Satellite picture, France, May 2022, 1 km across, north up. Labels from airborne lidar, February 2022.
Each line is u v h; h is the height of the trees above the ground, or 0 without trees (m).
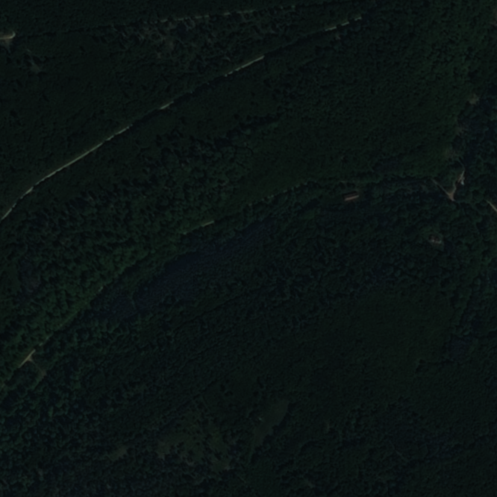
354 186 12
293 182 18
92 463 17
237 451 24
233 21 14
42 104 13
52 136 8
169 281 30
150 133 20
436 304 24
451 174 25
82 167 10
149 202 7
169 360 17
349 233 28
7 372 35
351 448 24
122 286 21
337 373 17
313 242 11
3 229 11
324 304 28
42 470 33
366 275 16
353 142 22
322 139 16
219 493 19
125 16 19
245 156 34
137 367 11
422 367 10
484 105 23
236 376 12
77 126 9
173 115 12
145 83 9
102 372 14
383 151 16
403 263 18
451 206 32
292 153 18
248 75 12
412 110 23
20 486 28
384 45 29
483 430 24
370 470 9
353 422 11
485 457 23
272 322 11
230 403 11
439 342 18
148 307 29
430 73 29
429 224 29
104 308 18
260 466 19
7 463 35
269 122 34
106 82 11
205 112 15
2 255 10
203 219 21
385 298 17
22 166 8
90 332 36
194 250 18
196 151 39
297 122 23
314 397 17
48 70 8
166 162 39
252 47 14
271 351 15
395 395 23
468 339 22
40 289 38
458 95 34
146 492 34
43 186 10
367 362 23
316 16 16
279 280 6
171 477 32
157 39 14
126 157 14
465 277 29
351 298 18
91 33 15
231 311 13
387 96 19
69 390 6
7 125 9
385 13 30
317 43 17
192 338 9
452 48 33
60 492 29
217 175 36
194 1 18
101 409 12
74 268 37
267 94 17
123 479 9
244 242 28
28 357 0
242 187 21
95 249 38
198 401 8
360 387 14
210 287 17
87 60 9
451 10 32
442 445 24
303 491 21
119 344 7
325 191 20
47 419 32
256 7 16
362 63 26
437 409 18
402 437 20
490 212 20
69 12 24
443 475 17
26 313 19
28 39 21
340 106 27
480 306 30
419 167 30
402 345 21
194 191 38
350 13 16
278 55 21
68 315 34
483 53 23
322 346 18
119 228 38
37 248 32
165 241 25
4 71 9
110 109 6
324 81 28
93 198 37
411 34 29
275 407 0
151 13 20
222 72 9
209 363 11
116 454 0
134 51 6
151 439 9
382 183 24
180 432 8
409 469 17
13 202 0
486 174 14
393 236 26
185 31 38
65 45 16
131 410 12
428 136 20
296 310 11
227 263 18
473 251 30
